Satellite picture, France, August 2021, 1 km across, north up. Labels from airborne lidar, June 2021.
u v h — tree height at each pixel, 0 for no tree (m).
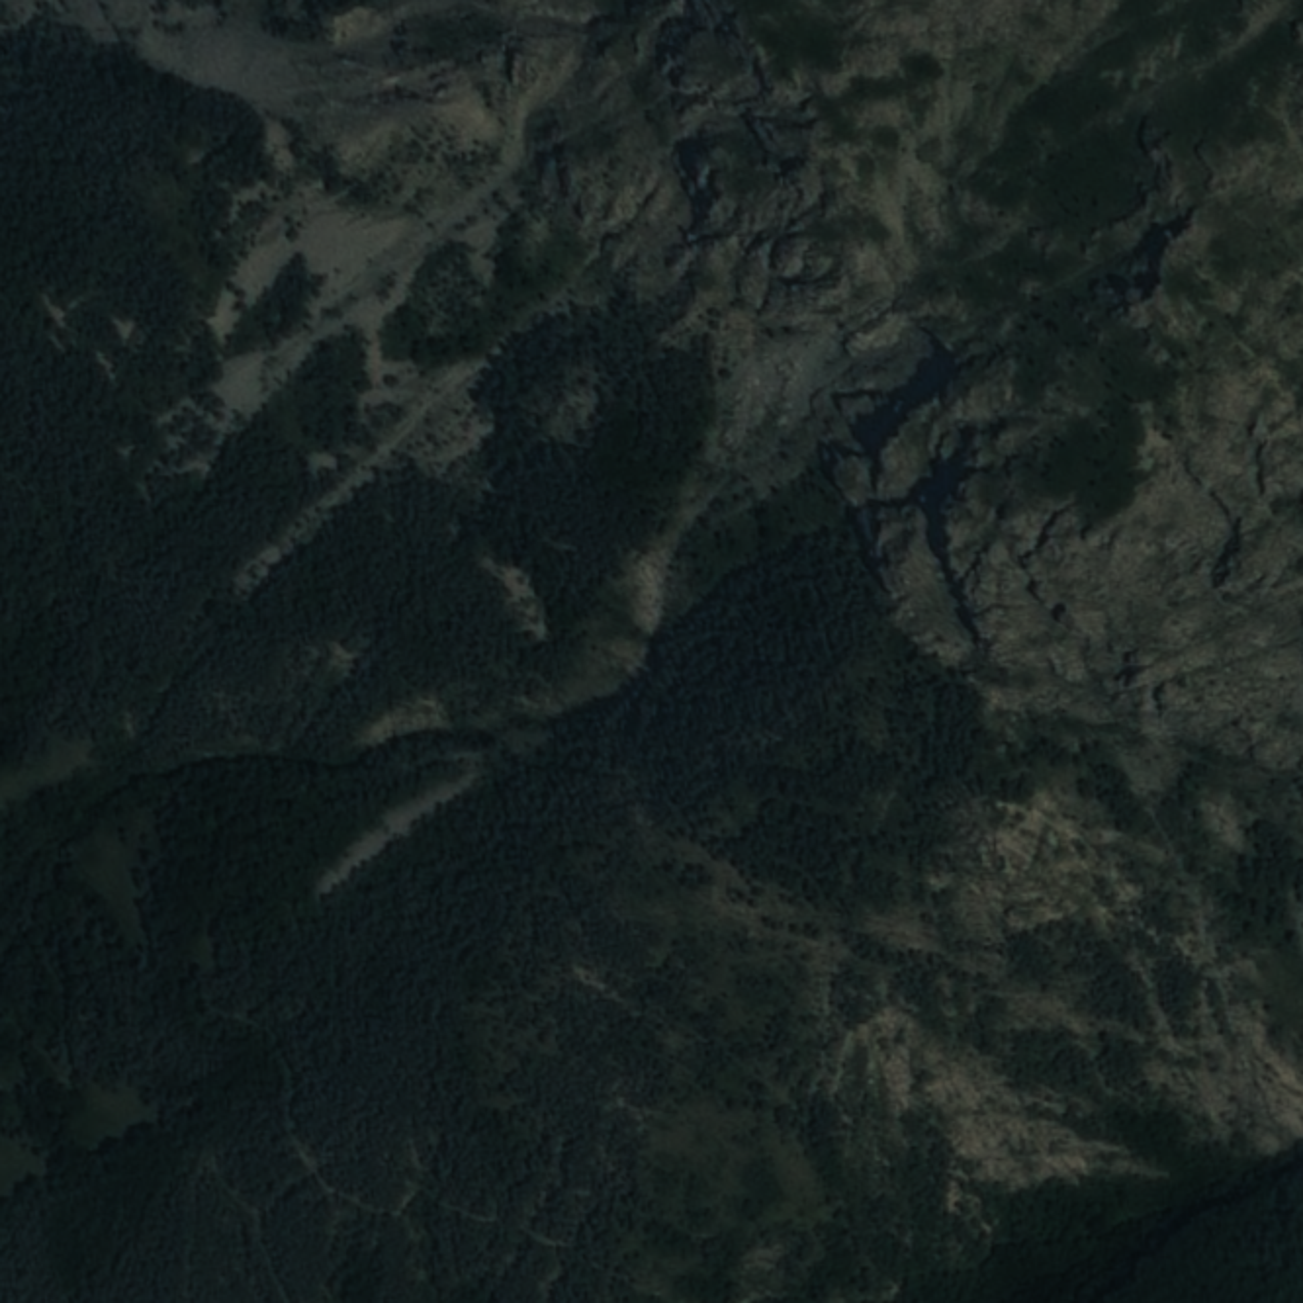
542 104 0
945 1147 9
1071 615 0
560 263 0
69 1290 12
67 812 6
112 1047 14
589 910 8
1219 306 0
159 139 6
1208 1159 8
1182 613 0
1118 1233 7
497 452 16
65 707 9
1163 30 0
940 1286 9
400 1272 13
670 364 12
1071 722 7
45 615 6
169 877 17
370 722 8
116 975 15
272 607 17
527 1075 8
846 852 16
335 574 15
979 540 0
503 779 8
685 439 11
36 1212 14
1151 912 7
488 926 14
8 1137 9
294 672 7
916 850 10
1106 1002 13
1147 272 0
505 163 0
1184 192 0
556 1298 12
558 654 13
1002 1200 10
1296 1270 11
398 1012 14
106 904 8
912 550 0
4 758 21
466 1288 8
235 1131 13
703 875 13
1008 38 0
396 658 14
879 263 0
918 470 0
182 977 14
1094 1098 7
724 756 16
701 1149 0
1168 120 0
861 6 0
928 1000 11
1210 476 0
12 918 15
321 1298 8
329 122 0
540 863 11
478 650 12
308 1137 10
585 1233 14
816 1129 13
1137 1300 15
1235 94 0
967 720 19
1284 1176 11
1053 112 0
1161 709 8
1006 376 0
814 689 11
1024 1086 7
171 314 12
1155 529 0
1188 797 14
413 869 10
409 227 0
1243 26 0
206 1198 9
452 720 9
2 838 7
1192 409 0
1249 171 0
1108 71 0
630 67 0
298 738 6
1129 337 0
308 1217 11
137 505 7
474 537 18
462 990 7
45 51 8
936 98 0
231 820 11
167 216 0
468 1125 15
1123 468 0
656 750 18
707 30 0
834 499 6
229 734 10
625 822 7
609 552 18
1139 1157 7
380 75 0
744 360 0
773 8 0
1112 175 0
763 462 0
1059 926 13
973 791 10
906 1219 7
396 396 0
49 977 9
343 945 15
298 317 10
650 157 0
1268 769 7
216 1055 19
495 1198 14
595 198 0
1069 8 0
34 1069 11
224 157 12
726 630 19
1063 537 0
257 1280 7
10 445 9
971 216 0
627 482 17
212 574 16
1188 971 7
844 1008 9
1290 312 8
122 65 9
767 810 17
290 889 11
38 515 10
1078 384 0
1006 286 0
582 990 7
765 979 6
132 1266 13
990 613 0
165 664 14
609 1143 8
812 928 9
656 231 0
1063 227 0
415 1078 10
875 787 17
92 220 7
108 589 16
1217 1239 14
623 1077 6
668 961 6
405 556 8
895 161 0
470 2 0
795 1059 6
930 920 8
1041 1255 17
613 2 0
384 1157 8
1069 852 0
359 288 0
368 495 10
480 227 0
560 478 19
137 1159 19
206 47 0
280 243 0
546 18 0
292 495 6
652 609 0
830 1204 11
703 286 0
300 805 7
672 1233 7
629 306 10
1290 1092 0
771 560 16
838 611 10
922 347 0
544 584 23
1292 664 0
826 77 0
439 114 0
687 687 18
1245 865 19
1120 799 21
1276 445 0
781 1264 6
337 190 8
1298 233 0
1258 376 0
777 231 0
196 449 8
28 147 10
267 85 0
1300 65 0
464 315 8
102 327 6
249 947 13
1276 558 0
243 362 0
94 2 0
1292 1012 0
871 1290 13
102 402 8
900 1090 0
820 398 0
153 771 10
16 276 8
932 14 0
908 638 8
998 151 0
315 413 6
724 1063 12
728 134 0
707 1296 7
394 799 7
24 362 12
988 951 9
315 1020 10
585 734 8
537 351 13
